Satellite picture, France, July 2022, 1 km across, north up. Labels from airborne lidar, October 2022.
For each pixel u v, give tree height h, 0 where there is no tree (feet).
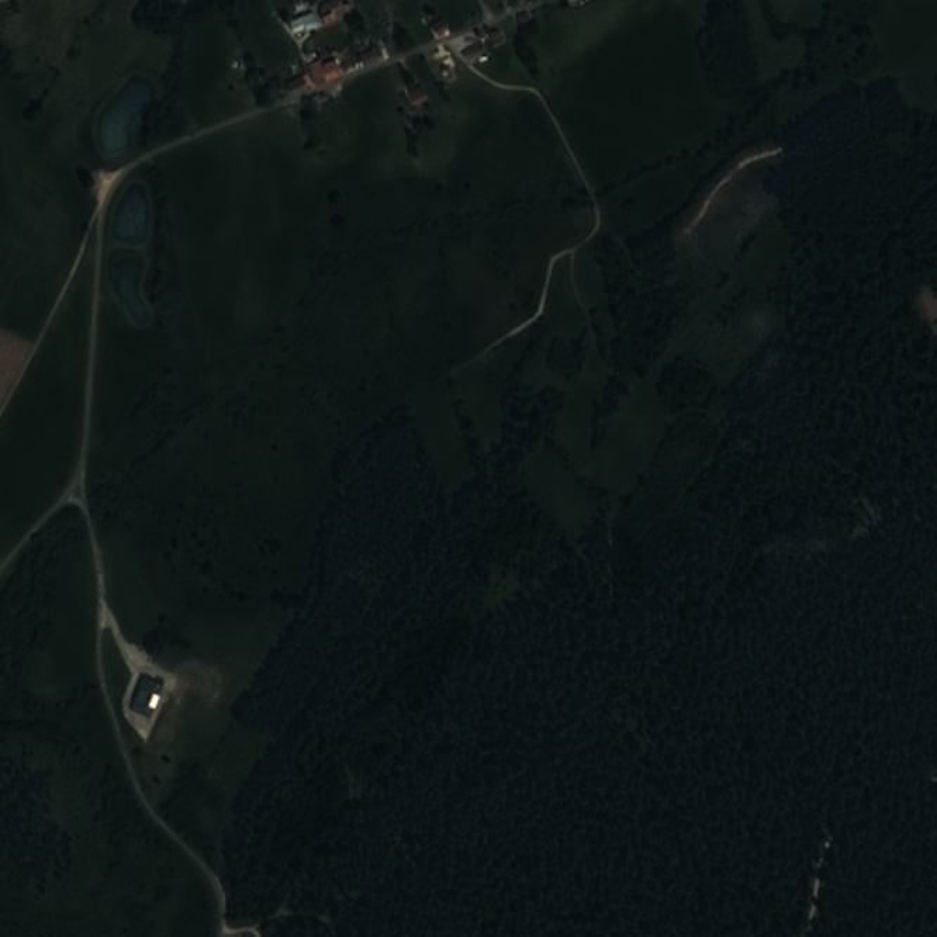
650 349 38
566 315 0
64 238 0
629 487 0
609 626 101
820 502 49
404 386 0
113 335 0
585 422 0
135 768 0
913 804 75
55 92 0
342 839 46
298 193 0
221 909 0
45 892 39
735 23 46
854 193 42
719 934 73
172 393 18
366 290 0
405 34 77
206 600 0
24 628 21
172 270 0
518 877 63
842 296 24
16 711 0
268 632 0
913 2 0
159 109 49
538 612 36
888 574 109
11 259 0
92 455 0
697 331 0
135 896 0
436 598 90
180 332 0
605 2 0
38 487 0
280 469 0
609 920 100
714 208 0
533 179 0
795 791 92
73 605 0
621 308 70
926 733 86
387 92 0
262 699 74
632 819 117
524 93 0
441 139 0
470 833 104
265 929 27
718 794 104
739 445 66
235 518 0
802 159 0
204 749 0
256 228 0
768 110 29
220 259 0
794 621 101
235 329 0
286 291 0
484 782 48
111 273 0
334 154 0
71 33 0
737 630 105
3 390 0
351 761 24
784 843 99
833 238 27
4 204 0
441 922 105
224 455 0
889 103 60
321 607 61
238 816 48
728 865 129
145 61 0
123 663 0
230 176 0
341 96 0
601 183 0
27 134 0
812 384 93
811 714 87
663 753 45
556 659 66
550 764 88
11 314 0
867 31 47
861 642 53
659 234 55
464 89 0
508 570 31
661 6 0
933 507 71
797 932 80
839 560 74
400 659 20
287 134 0
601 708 88
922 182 23
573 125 0
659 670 97
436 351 0
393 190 0
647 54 0
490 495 75
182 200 0
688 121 0
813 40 55
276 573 24
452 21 0
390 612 87
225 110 0
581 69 0
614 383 21
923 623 73
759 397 107
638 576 26
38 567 23
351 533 74
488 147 0
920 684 54
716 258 0
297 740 78
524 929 115
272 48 0
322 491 0
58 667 0
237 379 0
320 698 77
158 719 0
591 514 0
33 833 42
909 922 62
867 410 52
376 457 70
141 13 27
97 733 0
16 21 0
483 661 96
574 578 91
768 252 0
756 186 0
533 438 75
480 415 0
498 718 52
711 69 36
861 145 44
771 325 0
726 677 104
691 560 63
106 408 0
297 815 27
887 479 78
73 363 0
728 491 25
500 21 0
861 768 63
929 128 34
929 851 64
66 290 0
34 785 34
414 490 75
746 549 45
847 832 80
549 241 0
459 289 0
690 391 23
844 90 0
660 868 98
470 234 0
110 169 0
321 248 0
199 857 0
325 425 0
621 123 0
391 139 0
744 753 34
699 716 60
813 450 40
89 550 0
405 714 82
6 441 0
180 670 0
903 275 53
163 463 0
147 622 0
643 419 0
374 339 0
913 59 0
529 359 18
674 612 42
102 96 0
